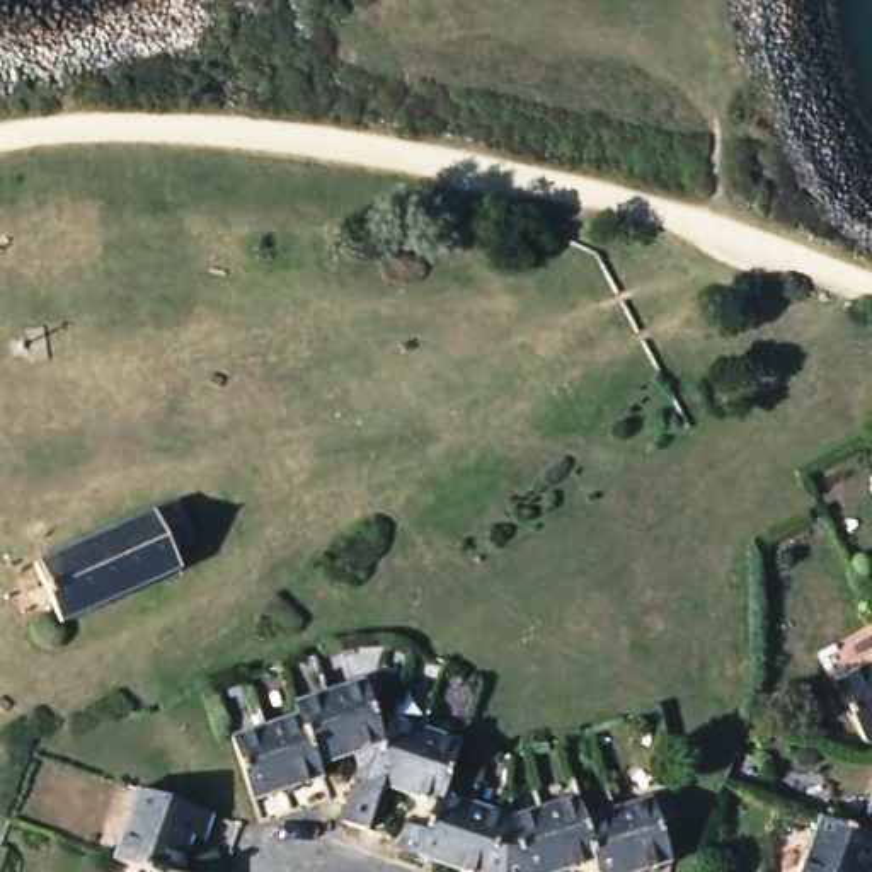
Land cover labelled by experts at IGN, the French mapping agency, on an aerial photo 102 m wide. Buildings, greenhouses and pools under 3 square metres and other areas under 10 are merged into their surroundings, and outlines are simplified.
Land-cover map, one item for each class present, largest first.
<instances>
[{"label":"herbaceous vegetation","instance_id":"1","mask_svg":"<svg viewBox=\"0 0 872 872\"><path fill-rule=\"evenodd\" d=\"M133 0H0V34H24L34 27H99L106 10L129 7ZM208 27L201 31L198 44L184 51L126 58L99 72H65L61 78H27L17 68L14 95H0V123L58 112H208L279 123H317L436 146H456L460 140H470L487 153L623 187H647L654 194L821 249L824 242L831 245L838 238L841 228L824 218L814 198L800 187L773 119H766V112L760 109V95L746 89V55L732 51V27L719 20V0H204ZM412 177L310 157L177 143H58L0 153V729L34 712L37 705H51L58 712V732L44 739V749H58L72 760L95 763V777L119 787L153 790L160 777L170 773L235 770L232 739L228 732V715L221 702L211 691V671L232 668L238 661H262L266 668H283L296 647L307 644L334 657L347 651L337 644V630L375 623L416 627L433 640V647L446 654H463L477 668L497 674L491 719L504 736H518L528 729H565L572 736L579 722H589L593 732H606V743L617 749L620 763L630 773L651 766L654 736L627 729L623 719L627 712L647 715L664 705L668 732L685 743L691 766L705 777L698 787L685 783L678 790L654 794L674 848L671 872H695L691 855L702 845L705 821L715 804L712 790H722L729 780L726 766L739 760L743 773L753 777L756 766L766 763L770 743L756 736L749 739V726L739 719V698L746 674V600L732 589V582L746 576L743 548L749 542L760 552L763 569V685L766 691H773L787 661H794L800 674H814V736L848 749H862V739L845 726L848 702L838 695L831 674L821 668V647L845 644L852 630H858L848 589L869 576V562L862 555L845 552V545L831 531V521H818L814 545H794L790 559L797 565H790L780 576L777 545L763 542V535L794 514H804L814 504V494L804 480V470L814 456H821L835 443L855 439L872 412V293L852 300L828 286H818L804 273H739L736 266L702 252L695 242L668 232L647 204L627 201L613 211H593L579 204V235L565 245L562 255L548 259L542 269L531 273H497L477 249H453L439 262H429L412 249H399V259H364L351 249L344 221L354 211L368 218L378 194H388L395 201V194ZM715 283H729L736 290L746 330L722 334L702 313L698 296L705 286ZM726 354L746 358V368L756 385V409L746 419H715L712 426L664 422L661 409L681 412V405L661 382V368H671L674 375L695 371L705 378L715 358ZM565 456L582 463V473L569 477L565 504L555 511V518H542V528H535L531 521L514 525V538L508 545H497L494 525H504L511 518V501L518 494H531L542 480H548V470ZM153 501H164V514L184 552V572H170L167 579L146 589H133L119 600L99 603L82 613V623L65 620L55 627L58 640L41 651L27 634L34 613H24L17 603V579H24L27 572H34V565L44 562L51 552L85 535L116 528L126 518L143 514ZM371 514H388L395 521L392 555L378 562L375 579L364 586L330 582L317 569L313 555H320L337 535H347L361 518ZM112 688H129L143 702H160V715L129 712L123 719L99 722L85 736H75L72 712ZM828 477L831 501L841 504L845 528L862 545H872V473L862 467V460L831 463L821 470ZM446 702L453 715H473V691L463 678H453ZM872 777V766H831L824 760L814 766V773H807L794 766L787 773V783L807 790L811 797H821L814 811L818 814L835 818V800H865ZM576 804H586L593 821H613L617 814L600 783L572 797ZM0 872H126L116 862L112 848L102 841L82 838L48 818L27 814V821H17L3 818L0 811Z\"/></svg>","mask_w":872,"mask_h":872},{"label":"brushwood","instance_id":"2","mask_svg":"<svg viewBox=\"0 0 872 872\"><path fill-rule=\"evenodd\" d=\"M702 313L722 334L746 330L736 290L729 283H715L705 286L698 296ZM661 382L681 405V412L661 409L664 422L712 426L715 419H746L756 409V385L746 368V358L726 354L715 358L705 378L695 371L674 375L671 368H661ZM582 473V463L565 456L548 470V480H542L531 494H518L511 501V518L504 525H494L497 545H508L514 538V525L531 521L535 528H542V518H555V511L565 504L569 477ZM814 494V504L804 514H794L763 535V542L777 545L780 576L790 565H797L790 559L794 545H814L818 521H831V531L845 545V552L862 555L869 562V576L872 582V545H862L845 528L841 504L831 501L828 477L821 470H814L804 480ZM395 521L388 514H371L361 518L347 535H337L320 555H313L317 569L330 582L364 586L375 579L378 562L392 555ZM746 576L732 582V589L746 600V674L739 698L749 702L753 691L763 685V569L760 552L749 542L743 548ZM27 634L41 651L58 640L55 627L48 610L34 613ZM337 644L347 651H382L378 671L361 678V691H368L382 705L385 743L436 763H450V790L456 797H484V790L494 783L501 800H518L521 807L552 800V794L572 797L600 783L617 814H623V804L634 794H654L678 790L685 783L698 787L705 777L691 766L685 743L668 732L664 705L647 715L627 712L623 719L627 729L654 736L651 766L630 773L620 763L617 749L606 743V732H593L589 722H579L572 736L565 729H528L518 736H504L491 719L497 674L477 668L463 654H446L433 647V640L416 627L375 623L337 630ZM453 678H463L473 691V715H453L446 702ZM313 657L324 671L334 664V657L307 644L296 647L283 668V712H296V695H303L307 688L303 661ZM235 685H242L255 691L259 709L269 705L266 668L262 661H238L232 668L211 671V691L221 702L232 698ZM129 712L160 715V702H143L129 688H112L72 712L75 736H85L99 722L123 719ZM58 732V712L51 705H37L34 712L0 729V811L3 818L17 821H27V800L44 763H58L65 770L95 777V763L72 760L58 749H44V739ZM794 766L777 743H770L766 763L756 766L753 777L743 773L739 760L726 766L729 780L722 790H712L715 804L705 821L702 845L691 855L695 872H783L787 835L807 828L811 821L818 814L814 811L821 797H811L807 790L787 783V773ZM405 794H399L395 787L382 790L371 828H382L388 835L402 831Z\"/></svg>","mask_w":872,"mask_h":872},{"label":"building","instance_id":"3","mask_svg":"<svg viewBox=\"0 0 872 872\"><path fill-rule=\"evenodd\" d=\"M55 579L65 620L82 623V613L99 603L119 600L133 589H146L167 579L170 572H184V552L164 514V501H153L143 514L126 518L116 528L85 535L51 552L44 562ZM838 695L848 702L845 726L862 739V749L872 746V661L848 664L841 668V674H831ZM361 678L344 674L320 695L307 688L303 695H296V712H283L276 719H262L259 729L242 722L228 732L232 739L245 749L252 763L255 790L269 794L283 790L286 783L303 787L313 777L344 780L354 770L361 777L382 780V790L395 787L399 794H405L402 831L409 838V852H416L429 872H671L674 848L654 794H634L623 804V814H617L613 821H593L586 804H576L572 797L552 794V800L521 807L518 800H501L494 783L484 790V797H456L450 790V763H436L385 743L382 705L368 691H361ZM235 811V770L170 773L160 777L153 790L119 787L112 797V814L102 828V841L112 848L116 862L126 872H252V848H232L225 841V824ZM811 821L818 824V838L811 845L804 872H872V777L865 800H835V818L818 814Z\"/></svg>","mask_w":872,"mask_h":872},{"label":"pervious surface","instance_id":"4","mask_svg":"<svg viewBox=\"0 0 872 872\"><path fill-rule=\"evenodd\" d=\"M58 143H177L310 157L412 177H436L446 170L460 187H477L484 201L504 204H538L548 191H572L579 204L593 211H613L627 201L647 204L668 232L695 242L702 252L736 266L739 273H804L818 286H828L852 300L872 293V269L835 259L821 249L654 194L647 187H623L487 153L470 140H460L456 146H436L317 123H279L208 112H58L0 123V153ZM269 705L259 709L262 719H276L283 712V668H266ZM235 770V811L225 824V841L232 848H252V872H361L327 838V831H337L330 818L269 814V794L255 790L252 763L245 749L232 739ZM119 787L95 777L65 770L58 763H44L27 800V814L48 818L82 838L102 841V828L112 814V797Z\"/></svg>","mask_w":872,"mask_h":872},{"label":"impervious surface","instance_id":"5","mask_svg":"<svg viewBox=\"0 0 872 872\"><path fill-rule=\"evenodd\" d=\"M208 27L204 0H133L129 7L106 10L99 27H34L24 34H0V95H14L17 68L27 78H61L65 72H99L126 58L184 51L198 44L201 31ZM719 20L732 27V51L746 55V89L760 95V109L766 112V119H773L800 187L814 198L824 218L841 228L838 238L831 245L824 242L821 249L835 259L872 269V174H848L841 157L835 153L831 129L828 123H821V106L814 102V92L804 89L800 58L790 51L787 0H719ZM17 603L24 613H34L48 610L55 627L65 620L55 579L44 562L34 565V572H27L24 579H17ZM858 630H852L845 644L821 647V668L831 674H841V668L848 664L872 661V582L869 576L848 589ZM382 651H347L334 657V664L324 671L313 657L303 661L307 688L320 695L344 674L361 678L378 671ZM228 715V732L242 722L259 729L262 719L259 709L255 691L242 685H235L232 698L221 702ZM382 780L361 777L354 770L344 780L313 777L303 787L286 783L283 790L269 794V814L330 818L337 831H327V838L361 872H429L416 852H409V838L402 831L388 835L382 828H371L382 790ZM818 838V824L811 821L807 828L787 835L783 872H804L811 845Z\"/></svg>","mask_w":872,"mask_h":872},{"label":"deciduous trees","instance_id":"6","mask_svg":"<svg viewBox=\"0 0 872 872\"><path fill-rule=\"evenodd\" d=\"M351 249L364 259H399V249H412L429 262H439L453 249H477L497 273H531L542 269L548 259L562 255L565 245L579 235V204L572 191H548L538 204H504L484 201L477 187H460L446 170L436 177H412L395 194V201L388 194H378L368 218L354 211L344 221ZM862 460V467L872 473V412L855 439L835 443L821 456H814L804 470V480L814 470H821L831 463ZM814 674H800L794 661H787L773 691H766L763 685L753 691L749 702L739 698V719L749 726V739L756 736L770 743H777L794 766L807 773H814V766L824 760L831 766H872V746L862 749H848L814 736Z\"/></svg>","mask_w":872,"mask_h":872},{"label":"water","instance_id":"7","mask_svg":"<svg viewBox=\"0 0 872 872\"><path fill-rule=\"evenodd\" d=\"M790 51L800 58L804 89L814 92V102L821 106V123H828L831 129L835 153L841 157L848 174H872V0H787Z\"/></svg>","mask_w":872,"mask_h":872}]
</instances>
